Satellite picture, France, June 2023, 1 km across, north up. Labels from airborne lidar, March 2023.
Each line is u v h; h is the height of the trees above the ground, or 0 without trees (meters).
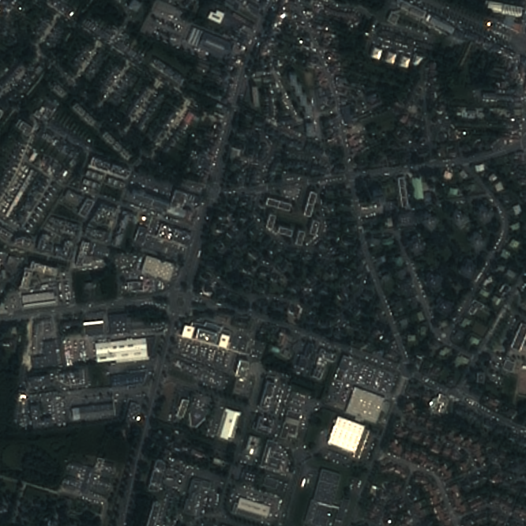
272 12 12
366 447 0
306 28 0
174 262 15
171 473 0
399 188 0
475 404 0
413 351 8
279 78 0
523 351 0
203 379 0
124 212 0
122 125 10
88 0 5
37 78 0
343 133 0
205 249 10
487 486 9
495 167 11
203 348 0
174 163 5
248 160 0
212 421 0
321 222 0
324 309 6
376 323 5
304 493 0
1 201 0
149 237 0
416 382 9
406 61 0
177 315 0
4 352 13
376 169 0
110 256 0
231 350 0
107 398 0
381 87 13
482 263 15
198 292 7
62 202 0
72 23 9
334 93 0
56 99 7
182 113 0
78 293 0
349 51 12
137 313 15
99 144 6
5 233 0
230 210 14
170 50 7
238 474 0
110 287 0
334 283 11
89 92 11
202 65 0
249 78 0
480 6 19
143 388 0
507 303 0
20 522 15
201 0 8
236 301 7
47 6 7
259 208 10
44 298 0
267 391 0
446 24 0
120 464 0
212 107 8
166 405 0
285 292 6
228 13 0
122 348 0
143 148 8
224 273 12
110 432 14
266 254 13
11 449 0
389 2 0
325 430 0
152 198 0
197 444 11
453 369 15
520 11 0
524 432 0
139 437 13
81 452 0
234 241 8
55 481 12
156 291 0
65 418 0
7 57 9
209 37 0
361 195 14
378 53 0
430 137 0
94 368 0
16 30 7
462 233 0
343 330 14
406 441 9
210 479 0
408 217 0
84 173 0
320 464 0
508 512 0
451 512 0
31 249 0
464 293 10
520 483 8
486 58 7
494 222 13
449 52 13
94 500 0
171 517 6
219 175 0
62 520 17
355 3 11
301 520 0
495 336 7
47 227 0
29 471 14
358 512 0
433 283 0
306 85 0
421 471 0
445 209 14
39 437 6
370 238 14
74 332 10
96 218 0
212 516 0
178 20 0
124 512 0
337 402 0
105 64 7
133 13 0
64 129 0
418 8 0
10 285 10
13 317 0
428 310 0
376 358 0
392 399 0
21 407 0
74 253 0
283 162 10
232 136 9
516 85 13
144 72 8
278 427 0
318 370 0
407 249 7
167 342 0
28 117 9
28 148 0
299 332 0
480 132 7
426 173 16
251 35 0
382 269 10
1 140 10
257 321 0
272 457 0
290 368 8
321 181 0
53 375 0
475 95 0
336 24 7
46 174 0
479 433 12
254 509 0
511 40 0
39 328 0
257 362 0
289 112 0
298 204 0
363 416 0
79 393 0
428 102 7
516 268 14
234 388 0
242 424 0
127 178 0
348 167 0
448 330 0
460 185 7
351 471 0
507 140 0
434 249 6
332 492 0
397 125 12
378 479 0
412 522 0
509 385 0
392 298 9
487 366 10
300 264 9
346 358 0
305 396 0
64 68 8
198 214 0
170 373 0
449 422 12
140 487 12
